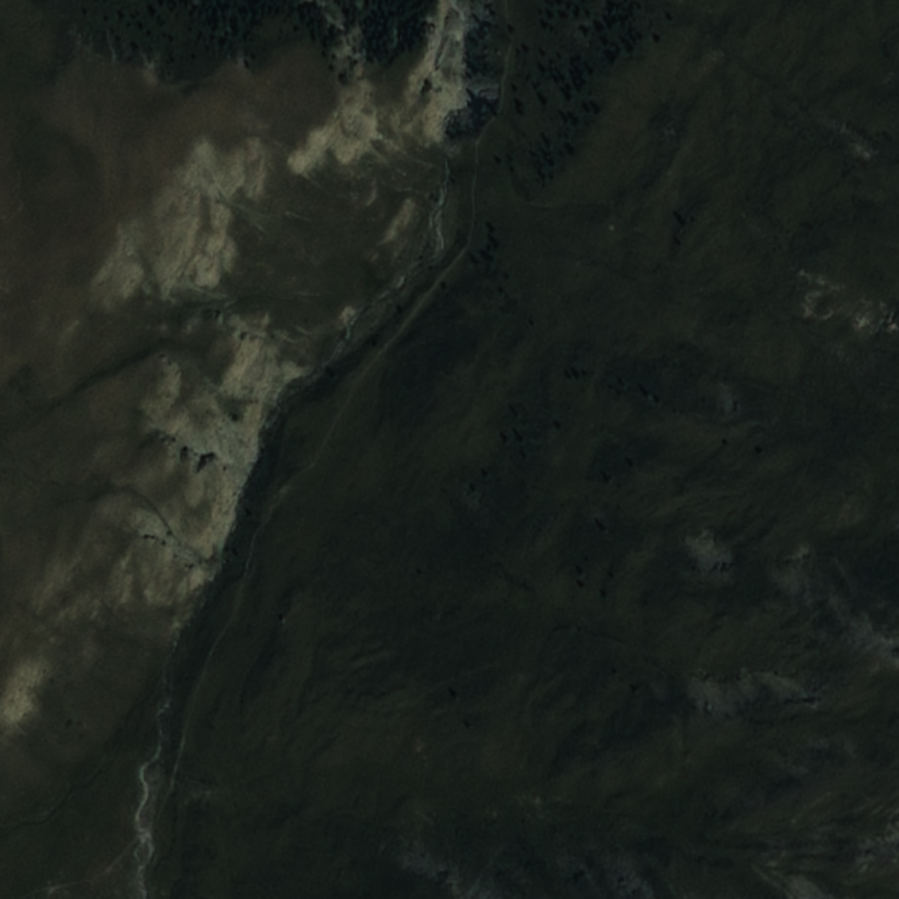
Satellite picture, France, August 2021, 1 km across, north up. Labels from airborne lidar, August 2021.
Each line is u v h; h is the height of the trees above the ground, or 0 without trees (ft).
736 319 0
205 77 0
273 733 0
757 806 0
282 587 0
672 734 0
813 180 0
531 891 0
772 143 0
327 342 0
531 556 0
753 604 0
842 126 0
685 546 0
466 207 0
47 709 0
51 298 0
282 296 0
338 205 0
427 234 0
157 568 0
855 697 0
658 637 0
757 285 0
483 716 0
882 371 0
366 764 0
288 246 0
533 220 0
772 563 0
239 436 0
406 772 0
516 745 0
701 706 0
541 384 0
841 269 0
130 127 0
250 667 0
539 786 0
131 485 0
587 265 0
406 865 0
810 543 0
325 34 55
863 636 0
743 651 0
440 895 0
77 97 0
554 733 0
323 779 0
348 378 0
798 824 0
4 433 0
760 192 0
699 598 0
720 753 0
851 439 0
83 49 0
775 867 0
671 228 0
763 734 0
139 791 0
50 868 0
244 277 0
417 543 0
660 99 0
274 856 0
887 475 0
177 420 0
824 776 0
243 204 0
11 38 0
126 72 0
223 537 0
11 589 0
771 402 0
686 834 0
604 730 0
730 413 0
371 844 0
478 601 0
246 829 0
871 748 0
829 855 0
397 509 0
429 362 0
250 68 35
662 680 0
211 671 0
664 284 0
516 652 0
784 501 0
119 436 0
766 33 0
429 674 0
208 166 0
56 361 0
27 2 0
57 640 0
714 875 0
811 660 0
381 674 0
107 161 0
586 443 0
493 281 0
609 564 0
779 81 0
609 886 0
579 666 0
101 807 0
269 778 0
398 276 0
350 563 0
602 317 0
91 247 0
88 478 0
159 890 0
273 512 0
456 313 0
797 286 0
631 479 0
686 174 0
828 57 0
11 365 0
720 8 0
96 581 0
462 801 0
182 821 0
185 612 0
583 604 0
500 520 0
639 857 0
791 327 0
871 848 0
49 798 0
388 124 0
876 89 0
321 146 0
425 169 0
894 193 0
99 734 0
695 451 0
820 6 0
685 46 0
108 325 0
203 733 0
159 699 0
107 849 0
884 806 0
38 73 0
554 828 0
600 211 0
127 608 0
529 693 0
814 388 0
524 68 0
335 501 0
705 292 0
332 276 0
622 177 0
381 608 0
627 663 0
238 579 0
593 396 0
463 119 0
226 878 0
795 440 0
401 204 0
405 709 0
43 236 0
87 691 0
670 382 0
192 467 0
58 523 0
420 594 0
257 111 0
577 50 0
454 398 0
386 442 0
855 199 0
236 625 0
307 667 0
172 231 0
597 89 0
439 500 0
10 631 0
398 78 0
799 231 0
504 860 0
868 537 0
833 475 0
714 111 0
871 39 0
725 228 0
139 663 0
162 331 0
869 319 0
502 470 0
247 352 0
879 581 0
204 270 0
